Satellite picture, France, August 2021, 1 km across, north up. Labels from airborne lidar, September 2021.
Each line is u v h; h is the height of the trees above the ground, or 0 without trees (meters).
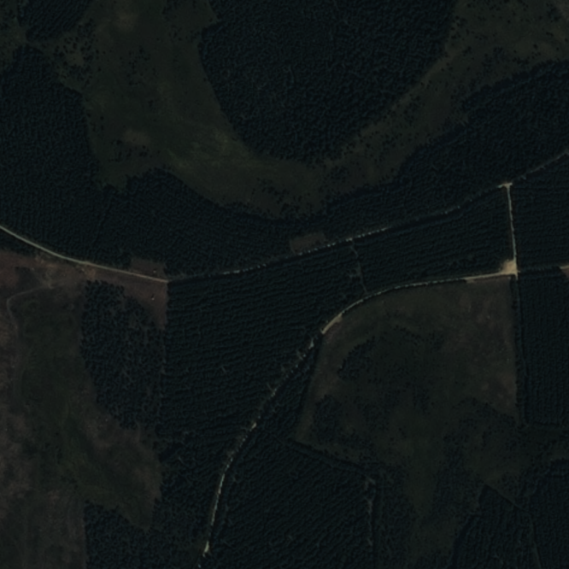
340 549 17
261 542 13
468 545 16
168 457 20
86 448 0
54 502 0
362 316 0
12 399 0
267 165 0
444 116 0
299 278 15
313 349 7
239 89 17
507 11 0
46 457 0
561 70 21
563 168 17
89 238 18
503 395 0
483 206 13
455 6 9
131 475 0
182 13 0
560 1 0
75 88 0
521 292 13
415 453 0
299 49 17
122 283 0
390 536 10
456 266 14
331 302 16
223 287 15
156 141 0
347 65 12
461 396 0
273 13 14
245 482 13
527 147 17
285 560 16
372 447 9
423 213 15
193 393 17
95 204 22
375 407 10
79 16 17
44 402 0
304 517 11
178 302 16
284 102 11
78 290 0
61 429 0
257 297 15
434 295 0
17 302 0
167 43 0
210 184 0
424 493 0
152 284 0
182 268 17
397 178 7
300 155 21
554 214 14
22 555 0
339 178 10
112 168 0
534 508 16
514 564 15
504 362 0
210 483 14
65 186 13
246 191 0
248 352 15
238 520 12
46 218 17
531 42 0
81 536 0
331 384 0
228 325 13
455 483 10
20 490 0
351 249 0
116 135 0
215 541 21
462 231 11
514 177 16
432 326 0
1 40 0
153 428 10
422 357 0
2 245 12
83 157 17
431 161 21
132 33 0
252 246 12
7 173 16
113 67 0
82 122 23
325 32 17
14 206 16
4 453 0
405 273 11
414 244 13
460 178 12
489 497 16
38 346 0
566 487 16
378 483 17
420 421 0
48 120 17
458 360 0
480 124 18
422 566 6
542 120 12
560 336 20
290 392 14
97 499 0
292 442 16
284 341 17
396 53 18
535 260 19
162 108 0
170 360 16
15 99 19
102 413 0
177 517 11
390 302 0
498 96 12
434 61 19
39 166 17
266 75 12
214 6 18
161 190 18
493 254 16
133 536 11
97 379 10
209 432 15
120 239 20
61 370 0
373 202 16
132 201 21
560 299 17
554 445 11
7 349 0
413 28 18
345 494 11
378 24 20
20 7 8
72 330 0
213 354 13
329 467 16
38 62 23
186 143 0
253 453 16
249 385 17
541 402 18
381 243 16
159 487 0
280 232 16
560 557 16
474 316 0
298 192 0
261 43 17
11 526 0
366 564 17
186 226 16
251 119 13
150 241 17
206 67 17
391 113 8
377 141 0
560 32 0
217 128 0
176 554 13
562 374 21
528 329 16
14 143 17
